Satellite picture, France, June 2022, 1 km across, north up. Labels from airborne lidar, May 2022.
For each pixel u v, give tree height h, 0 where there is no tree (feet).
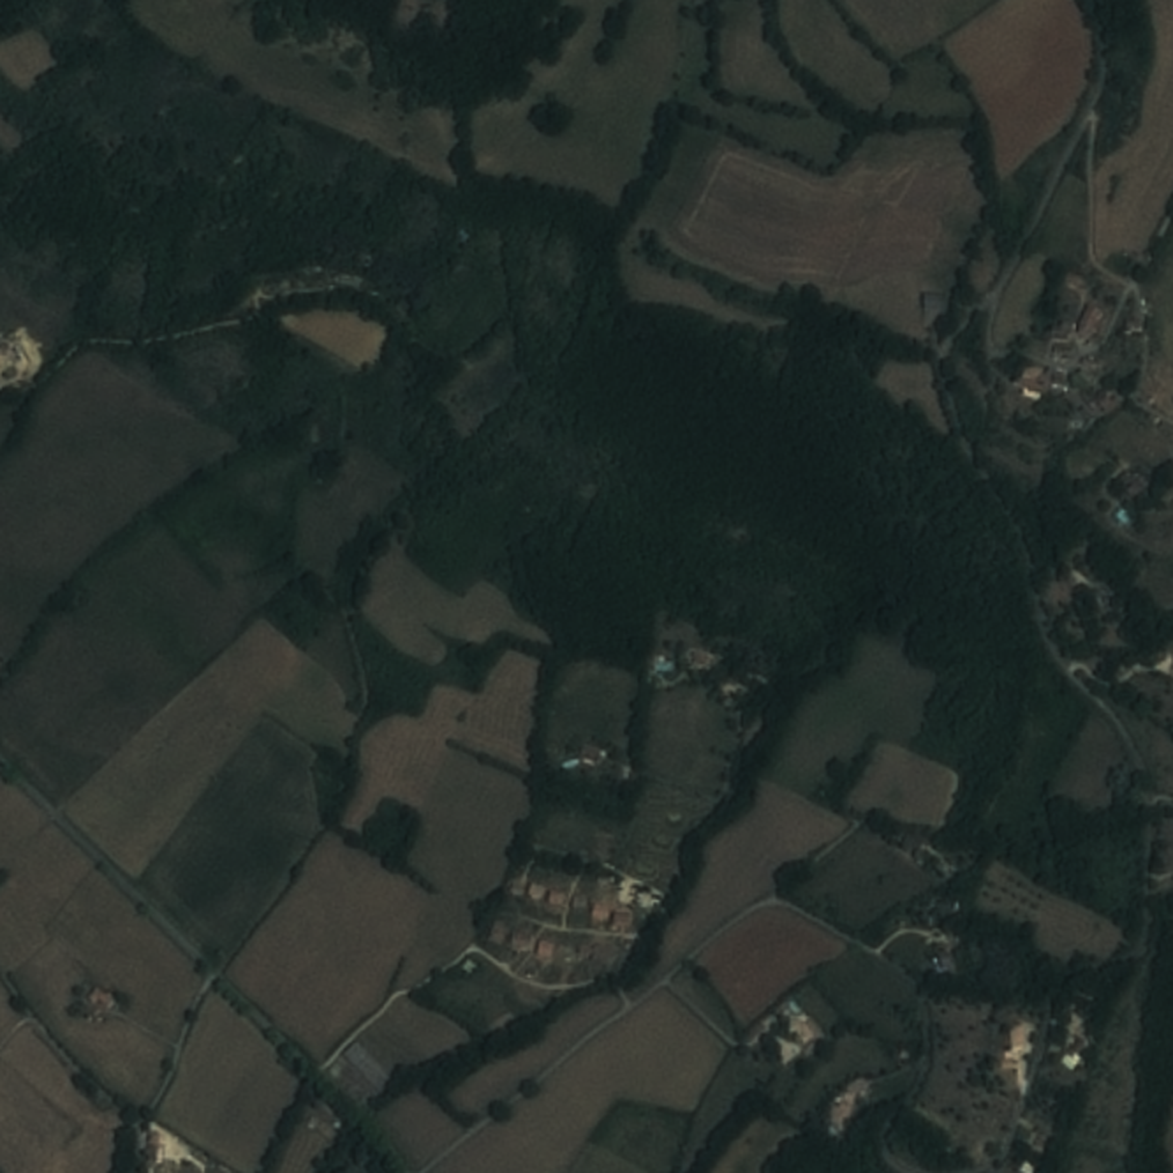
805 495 47
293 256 35
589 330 49
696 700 0
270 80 0
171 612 0
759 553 32
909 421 37
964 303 32
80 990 24
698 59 0
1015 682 44
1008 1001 42
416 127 0
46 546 0
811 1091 0
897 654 0
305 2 30
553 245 33
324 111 0
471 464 25
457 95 48
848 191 0
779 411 59
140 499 0
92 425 0
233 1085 0
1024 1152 49
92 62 37
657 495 27
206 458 0
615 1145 0
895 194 0
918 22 0
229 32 0
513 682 0
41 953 0
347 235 54
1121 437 0
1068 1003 34
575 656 56
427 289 48
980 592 28
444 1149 0
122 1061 0
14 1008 39
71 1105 0
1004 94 0
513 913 0
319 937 0
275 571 20
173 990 0
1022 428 38
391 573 0
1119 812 45
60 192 23
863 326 57
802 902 23
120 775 0
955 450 43
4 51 0
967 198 0
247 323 38
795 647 22
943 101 0
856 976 0
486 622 0
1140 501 41
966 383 26
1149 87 0
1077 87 0
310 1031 0
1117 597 31
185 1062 0
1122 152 0
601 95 0
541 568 57
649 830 0
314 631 22
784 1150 47
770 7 45
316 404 35
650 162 49
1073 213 0
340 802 39
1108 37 47
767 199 0
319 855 0
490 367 0
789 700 60
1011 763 37
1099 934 0
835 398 30
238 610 0
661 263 28
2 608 0
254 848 0
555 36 60
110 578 0
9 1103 0
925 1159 32
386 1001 0
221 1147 0
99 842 0
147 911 48
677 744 0
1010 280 0
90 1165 0
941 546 36
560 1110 0
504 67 38
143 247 18
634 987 41
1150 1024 40
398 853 27
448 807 0
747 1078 0
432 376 34
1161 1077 44
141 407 0
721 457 44
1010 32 0
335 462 49
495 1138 0
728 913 0
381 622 0
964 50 0
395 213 30
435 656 0
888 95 0
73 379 0
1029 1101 22
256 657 0
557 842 0
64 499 0
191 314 36
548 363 21
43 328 0
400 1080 55
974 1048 0
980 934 33
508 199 49
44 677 0
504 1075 0
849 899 0
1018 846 28
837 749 0
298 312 48
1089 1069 24
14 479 0
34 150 36
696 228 0
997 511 34
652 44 0
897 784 0
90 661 0
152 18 0
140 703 0
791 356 25
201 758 0
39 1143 0
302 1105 46
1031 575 22
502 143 0
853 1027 35
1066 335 0
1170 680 23
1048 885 39
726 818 51
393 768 0
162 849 0
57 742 0
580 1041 0
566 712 0
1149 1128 47
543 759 39
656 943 45
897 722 0
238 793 0
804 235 0
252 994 0
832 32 0
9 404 42
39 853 0
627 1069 0
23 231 27
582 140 0
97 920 0
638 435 35
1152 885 35
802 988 21
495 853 0
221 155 35
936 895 27
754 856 0
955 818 29
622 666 46
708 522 31
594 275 44
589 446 33
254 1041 0
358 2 43
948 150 0
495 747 0
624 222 63
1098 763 0
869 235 0
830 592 31
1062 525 42
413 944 0
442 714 0
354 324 0
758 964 0
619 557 52
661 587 48
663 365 53
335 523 0
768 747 65
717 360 52
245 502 0
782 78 0
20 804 0
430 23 50
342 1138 42
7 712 0
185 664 0
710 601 31
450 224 22
